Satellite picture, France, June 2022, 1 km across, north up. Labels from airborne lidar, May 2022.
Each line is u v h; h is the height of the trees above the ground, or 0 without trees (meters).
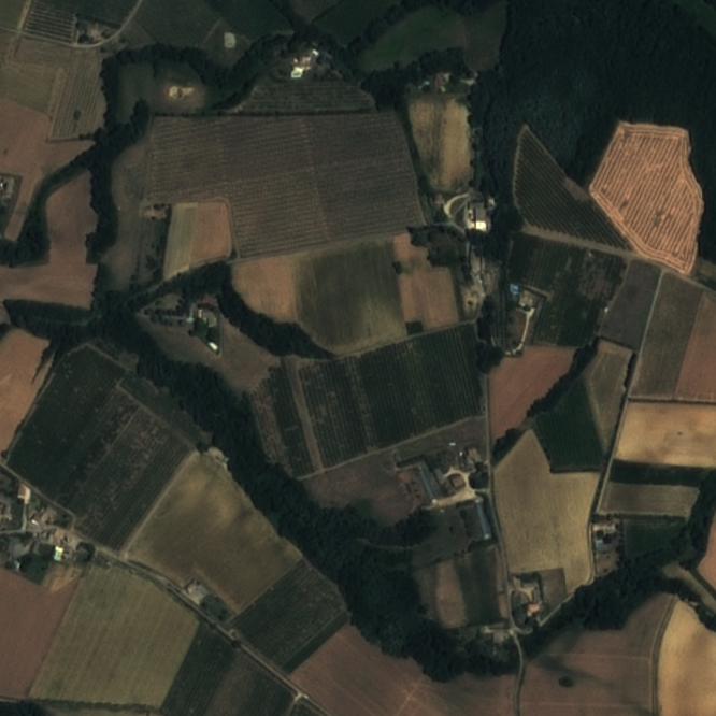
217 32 0
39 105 0
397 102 7
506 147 22
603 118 20
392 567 9
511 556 0
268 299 0
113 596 0
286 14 15
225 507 0
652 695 0
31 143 0
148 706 0
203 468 0
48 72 0
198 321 11
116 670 0
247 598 0
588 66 16
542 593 8
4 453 8
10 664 0
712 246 18
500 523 0
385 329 0
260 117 13
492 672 10
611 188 0
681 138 0
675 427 0
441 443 0
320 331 0
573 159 14
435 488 0
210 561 0
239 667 0
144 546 0
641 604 13
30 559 11
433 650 15
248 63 16
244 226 0
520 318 0
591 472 10
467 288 0
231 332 0
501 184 20
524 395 0
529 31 19
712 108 16
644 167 0
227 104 14
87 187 0
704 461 0
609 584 18
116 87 11
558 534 0
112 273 0
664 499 0
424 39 0
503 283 7
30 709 13
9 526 0
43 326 18
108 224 18
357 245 0
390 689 0
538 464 0
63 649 0
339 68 17
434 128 0
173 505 0
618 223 0
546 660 0
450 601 0
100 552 0
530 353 0
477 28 0
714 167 10
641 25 21
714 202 14
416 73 17
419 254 0
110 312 16
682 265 0
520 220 15
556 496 0
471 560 0
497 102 18
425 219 0
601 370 0
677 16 21
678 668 0
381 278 0
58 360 11
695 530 16
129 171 0
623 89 16
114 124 14
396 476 0
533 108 11
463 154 0
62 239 0
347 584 10
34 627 0
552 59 11
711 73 24
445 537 0
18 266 14
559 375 0
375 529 16
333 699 0
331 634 0
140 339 15
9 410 0
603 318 0
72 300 0
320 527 19
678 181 0
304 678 0
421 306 0
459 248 0
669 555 17
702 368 0
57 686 0
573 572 0
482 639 8
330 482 0
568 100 11
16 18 0
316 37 22
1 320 0
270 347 16
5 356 0
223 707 0
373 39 31
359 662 0
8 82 0
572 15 21
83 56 0
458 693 0
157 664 0
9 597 0
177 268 0
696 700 0
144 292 9
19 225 0
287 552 0
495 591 0
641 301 0
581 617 9
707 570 0
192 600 0
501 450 14
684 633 0
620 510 0
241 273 0
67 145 0
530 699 0
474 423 0
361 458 0
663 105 14
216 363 0
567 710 0
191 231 0
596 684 0
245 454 12
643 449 0
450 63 14
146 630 0
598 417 0
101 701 0
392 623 16
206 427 18
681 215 0
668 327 0
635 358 13
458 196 0
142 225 0
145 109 12
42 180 0
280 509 16
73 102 0
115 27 10
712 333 0
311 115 11
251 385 0
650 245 0
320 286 0
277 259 0
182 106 0
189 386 19
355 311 0
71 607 0
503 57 12
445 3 10
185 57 17
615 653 0
